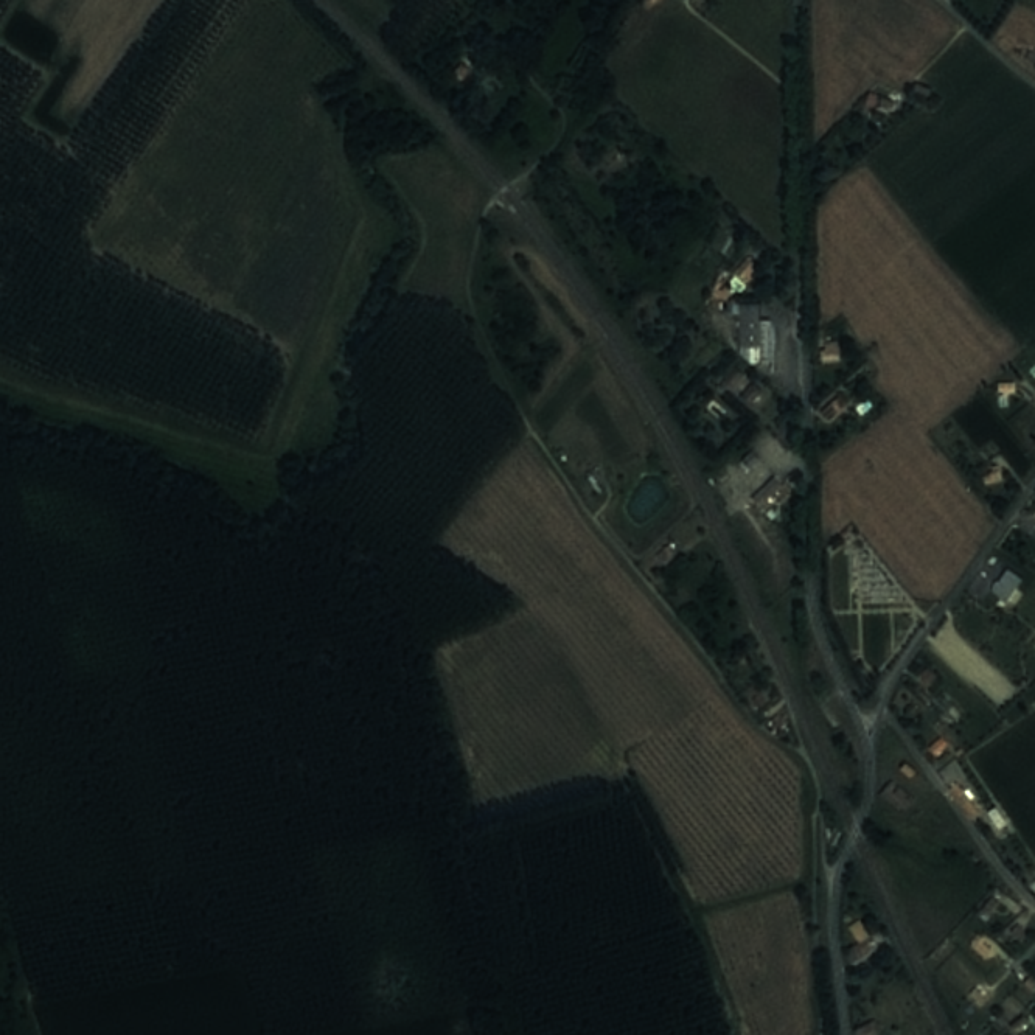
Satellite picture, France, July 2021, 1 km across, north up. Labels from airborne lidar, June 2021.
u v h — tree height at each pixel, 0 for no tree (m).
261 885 25
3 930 7
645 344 9
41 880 22
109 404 0
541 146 0
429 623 35
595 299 0
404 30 24
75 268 19
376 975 25
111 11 0
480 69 27
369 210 0
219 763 26
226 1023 0
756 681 7
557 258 0
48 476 27
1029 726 0
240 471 0
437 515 30
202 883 24
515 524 0
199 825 26
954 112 0
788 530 6
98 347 22
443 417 26
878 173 0
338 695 24
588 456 0
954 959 0
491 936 32
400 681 25
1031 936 8
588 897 27
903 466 0
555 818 38
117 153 17
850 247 0
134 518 27
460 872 26
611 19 23
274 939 26
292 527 27
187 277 0
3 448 26
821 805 7
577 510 0
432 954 27
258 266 0
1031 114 0
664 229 24
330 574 28
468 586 34
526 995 26
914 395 0
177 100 15
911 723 8
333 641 27
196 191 0
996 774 0
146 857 28
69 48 0
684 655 0
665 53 0
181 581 26
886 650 0
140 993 0
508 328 6
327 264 0
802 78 24
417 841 28
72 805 26
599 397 0
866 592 0
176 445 0
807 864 0
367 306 14
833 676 0
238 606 22
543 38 17
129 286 21
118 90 19
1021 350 0
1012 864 11
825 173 21
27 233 18
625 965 25
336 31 18
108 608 26
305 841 25
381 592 25
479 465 26
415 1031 0
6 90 13
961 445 7
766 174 0
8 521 23
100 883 26
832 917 0
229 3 15
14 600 25
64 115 0
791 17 0
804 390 0
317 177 0
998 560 0
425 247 0
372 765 26
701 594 7
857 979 15
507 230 0
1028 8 0
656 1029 26
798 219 28
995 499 6
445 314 21
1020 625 7
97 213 19
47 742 23
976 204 0
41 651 27
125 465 28
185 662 26
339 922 26
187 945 26
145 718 28
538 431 0
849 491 0
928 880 0
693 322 8
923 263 0
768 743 0
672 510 0
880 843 13
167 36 20
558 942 29
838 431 9
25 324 23
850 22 0
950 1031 0
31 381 0
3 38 0
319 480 26
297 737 25
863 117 12
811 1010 0
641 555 0
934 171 0
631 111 9
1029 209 0
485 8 13
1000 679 0
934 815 0
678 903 22
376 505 29
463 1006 26
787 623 0
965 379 0
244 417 20
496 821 37
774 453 0
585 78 12
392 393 29
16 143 18
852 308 0
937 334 0
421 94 0
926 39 0
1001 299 0
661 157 12
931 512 0
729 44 0
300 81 0
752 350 0
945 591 0
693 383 9
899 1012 0
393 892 23
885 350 0
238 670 25
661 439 0
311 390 0
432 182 0
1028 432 0
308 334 0
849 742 16
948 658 0
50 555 27
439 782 26
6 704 23
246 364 17
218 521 27
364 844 27
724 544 0
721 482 0
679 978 29
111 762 25
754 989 7
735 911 0
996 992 0
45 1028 0
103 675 28
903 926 0
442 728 26
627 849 28
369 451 26
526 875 35
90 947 25
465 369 23
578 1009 27
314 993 23
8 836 23
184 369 22
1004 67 0
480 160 0
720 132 0
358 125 16
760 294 14
